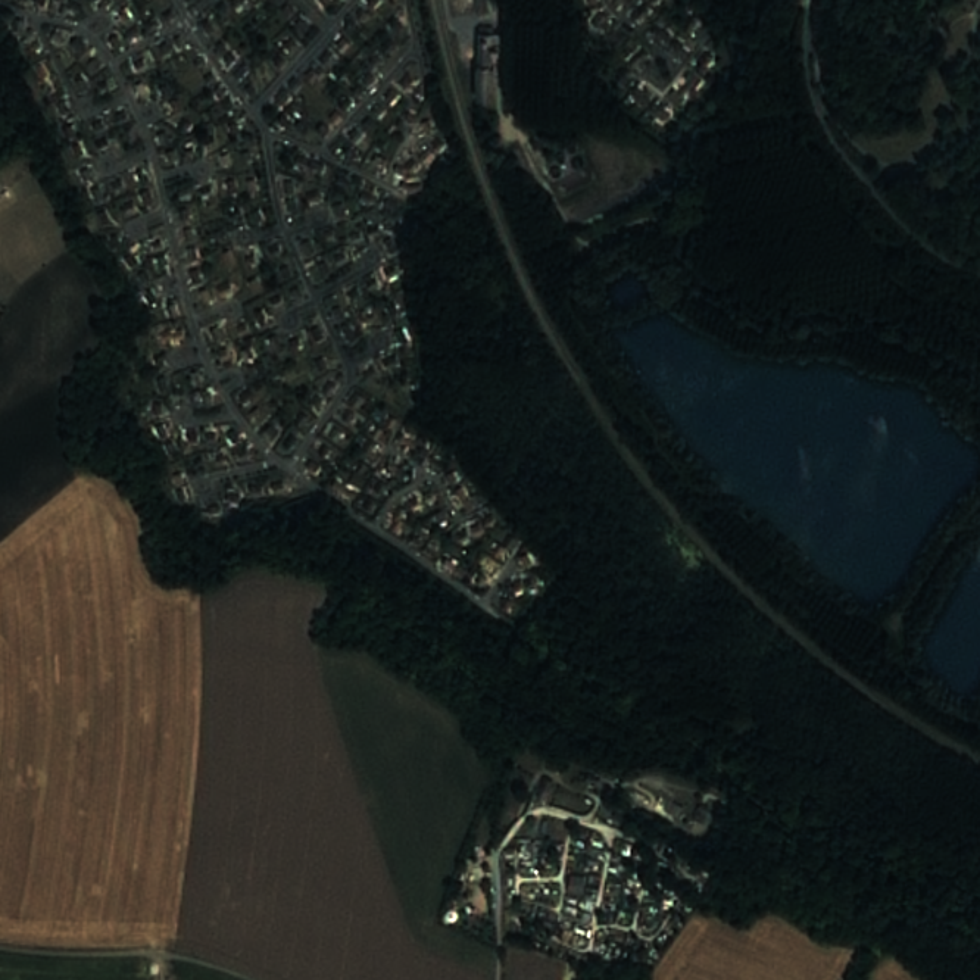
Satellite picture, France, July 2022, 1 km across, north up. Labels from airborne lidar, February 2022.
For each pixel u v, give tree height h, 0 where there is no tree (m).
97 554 0
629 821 14
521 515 20
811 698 23
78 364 10
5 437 0
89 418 24
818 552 0
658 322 0
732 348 8
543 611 16
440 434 9
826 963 0
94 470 8
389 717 0
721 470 0
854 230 22
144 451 19
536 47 30
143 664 0
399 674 16
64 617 0
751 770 18
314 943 0
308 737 0
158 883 0
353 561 25
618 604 25
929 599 16
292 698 0
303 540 25
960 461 0
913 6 20
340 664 0
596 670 19
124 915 0
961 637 0
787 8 28
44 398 0
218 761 0
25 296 0
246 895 0
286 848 0
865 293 21
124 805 0
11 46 15
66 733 0
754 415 0
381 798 0
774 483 0
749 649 16
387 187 0
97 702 0
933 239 22
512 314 7
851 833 29
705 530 18
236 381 0
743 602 11
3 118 21
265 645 0
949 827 23
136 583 0
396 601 25
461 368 20
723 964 0
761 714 23
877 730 13
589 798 0
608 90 15
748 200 23
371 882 0
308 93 0
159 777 0
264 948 0
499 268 9
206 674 0
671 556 8
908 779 21
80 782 0
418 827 0
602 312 15
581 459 20
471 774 0
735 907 11
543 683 19
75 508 0
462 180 22
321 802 0
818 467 0
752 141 22
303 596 0
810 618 7
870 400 0
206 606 0
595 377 13
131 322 17
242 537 20
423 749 0
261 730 0
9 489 0
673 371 0
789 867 17
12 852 0
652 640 31
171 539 8
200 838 0
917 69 9
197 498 0
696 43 0
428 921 0
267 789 0
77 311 0
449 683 17
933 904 23
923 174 20
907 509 0
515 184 23
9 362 0
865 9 27
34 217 0
